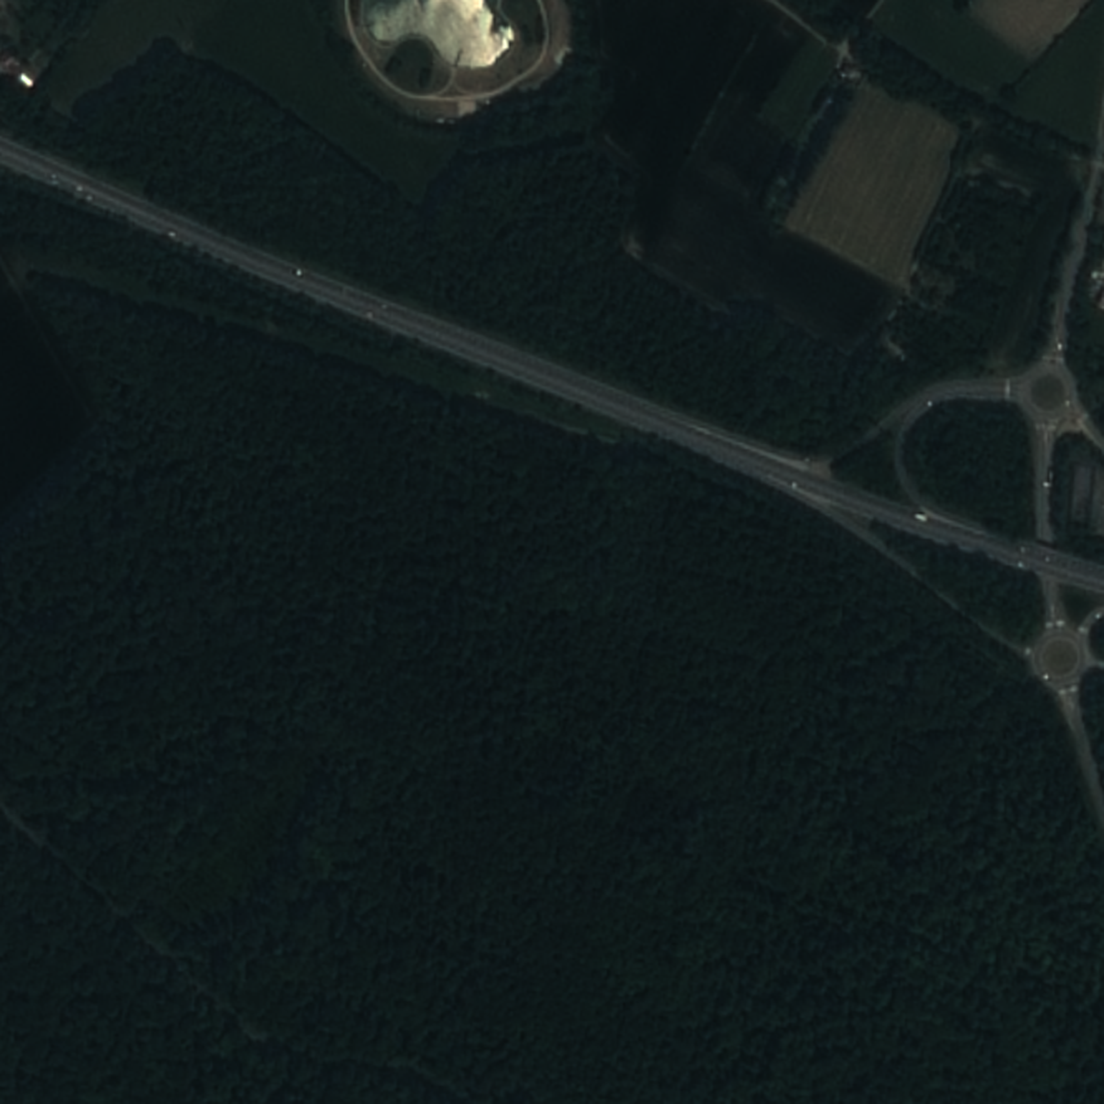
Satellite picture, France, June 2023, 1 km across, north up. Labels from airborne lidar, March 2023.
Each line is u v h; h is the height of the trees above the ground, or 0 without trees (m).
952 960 29
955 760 29
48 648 27
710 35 0
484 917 19
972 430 18
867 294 0
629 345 23
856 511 0
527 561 26
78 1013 26
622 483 30
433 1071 24
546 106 20
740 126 0
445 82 0
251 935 30
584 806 23
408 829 17
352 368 18
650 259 0
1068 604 0
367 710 20
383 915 26
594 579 30
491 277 19
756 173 0
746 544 19
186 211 15
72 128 16
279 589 20
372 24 0
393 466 21
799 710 16
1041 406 0
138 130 17
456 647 25
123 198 0
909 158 0
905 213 0
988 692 23
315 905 30
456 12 0
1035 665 0
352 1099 27
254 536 19
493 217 22
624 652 21
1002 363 0
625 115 0
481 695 23
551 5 0
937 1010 27
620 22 0
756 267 0
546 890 22
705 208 0
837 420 17
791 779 22
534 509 18
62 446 0
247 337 21
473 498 24
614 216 19
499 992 25
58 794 28
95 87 0
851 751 25
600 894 25
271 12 0
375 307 0
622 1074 23
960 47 0
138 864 25
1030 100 0
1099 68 0
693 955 23
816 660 28
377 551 24
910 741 29
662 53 0
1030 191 0
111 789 25
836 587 28
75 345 19
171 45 16
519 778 20
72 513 27
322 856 26
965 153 9
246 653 28
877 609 26
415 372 0
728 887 24
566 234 25
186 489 23
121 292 0
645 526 24
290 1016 26
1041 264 0
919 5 0
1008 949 25
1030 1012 28
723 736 21
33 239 21
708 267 0
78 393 0
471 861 20
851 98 13
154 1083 29
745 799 27
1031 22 0
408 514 21
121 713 27
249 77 0
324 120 0
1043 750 21
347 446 22
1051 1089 28
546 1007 23
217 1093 29
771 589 21
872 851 30
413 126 5
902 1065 25
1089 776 0
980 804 18
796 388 29
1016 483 22
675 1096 26
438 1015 21
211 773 23
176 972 25
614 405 0
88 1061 25
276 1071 24
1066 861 24
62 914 24
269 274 0
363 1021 28
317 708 30
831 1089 24
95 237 15
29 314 0
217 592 28
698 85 0
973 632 15
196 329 23
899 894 28
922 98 12
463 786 22
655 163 0
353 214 20
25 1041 30
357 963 28
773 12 0
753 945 18
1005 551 0
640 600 24
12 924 29
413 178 0
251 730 32
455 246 17
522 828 19
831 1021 24
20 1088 26
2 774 28
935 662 29
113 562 31
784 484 0
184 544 18
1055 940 20
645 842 20
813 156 16
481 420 23
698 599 14
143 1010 26
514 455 25
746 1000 26
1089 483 0
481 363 0
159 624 28
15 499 0
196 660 25
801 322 0
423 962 24
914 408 0
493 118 18
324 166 23
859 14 0
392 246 19
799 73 0
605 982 20
